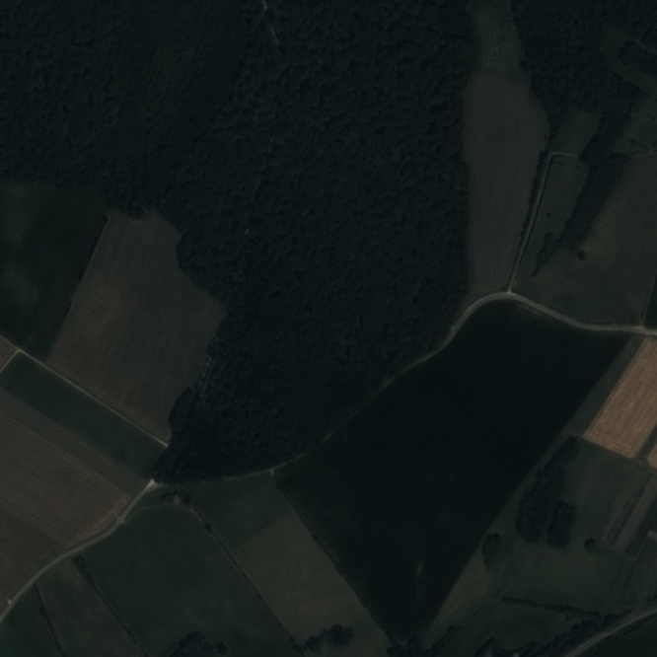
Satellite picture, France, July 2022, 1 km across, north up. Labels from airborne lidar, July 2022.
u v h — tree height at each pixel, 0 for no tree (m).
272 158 22
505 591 0
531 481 0
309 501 0
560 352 0
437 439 0
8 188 0
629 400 0
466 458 0
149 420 0
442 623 0
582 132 0
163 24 9
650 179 0
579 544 0
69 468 0
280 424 29
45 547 0
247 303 21
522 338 0
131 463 0
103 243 0
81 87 23
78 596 0
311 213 25
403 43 29
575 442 16
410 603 0
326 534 0
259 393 22
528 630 0
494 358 0
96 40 25
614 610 0
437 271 20
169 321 0
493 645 10
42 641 0
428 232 26
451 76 23
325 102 21
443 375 0
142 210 19
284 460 13
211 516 0
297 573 0
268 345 31
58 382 0
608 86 16
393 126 25
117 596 0
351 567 0
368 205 22
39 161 22
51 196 0
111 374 0
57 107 21
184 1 9
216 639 0
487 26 0
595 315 0
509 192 0
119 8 18
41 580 0
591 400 0
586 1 25
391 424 0
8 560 0
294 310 25
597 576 0
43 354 0
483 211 0
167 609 0
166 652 0
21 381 0
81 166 19
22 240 0
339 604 0
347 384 26
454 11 15
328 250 22
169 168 9
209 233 17
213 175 22
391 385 0
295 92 23
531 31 21
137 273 0
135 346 0
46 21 28
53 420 0
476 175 0
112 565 0
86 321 0
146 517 0
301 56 22
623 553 0
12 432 0
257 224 27
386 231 24
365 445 0
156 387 0
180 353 0
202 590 0
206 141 22
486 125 0
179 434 21
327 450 0
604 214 0
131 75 7
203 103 10
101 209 0
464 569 0
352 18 27
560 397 0
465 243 20
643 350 0
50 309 0
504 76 0
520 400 0
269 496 0
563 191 0
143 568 0
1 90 14
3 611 0
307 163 22
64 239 0
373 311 27
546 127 0
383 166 24
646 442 0
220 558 0
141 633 0
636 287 0
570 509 10
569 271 0
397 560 0
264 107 16
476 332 0
